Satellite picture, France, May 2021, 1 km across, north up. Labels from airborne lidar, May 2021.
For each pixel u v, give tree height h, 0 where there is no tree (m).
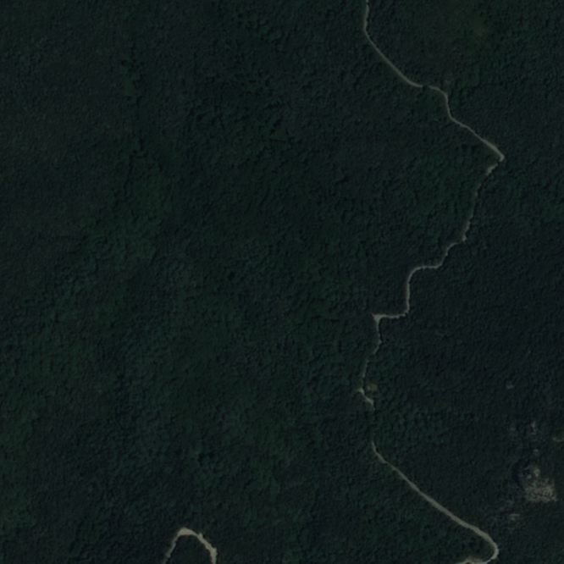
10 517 19
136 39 25
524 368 12
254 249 12
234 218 19
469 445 12
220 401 15
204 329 20
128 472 12
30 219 14
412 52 18
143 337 17
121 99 14
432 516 11
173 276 10
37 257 10
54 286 18
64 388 13
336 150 17
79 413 9
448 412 17
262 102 27
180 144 17
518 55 10
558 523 13
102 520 18
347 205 25
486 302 16
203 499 21
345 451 16
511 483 6
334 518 15
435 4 13
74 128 14
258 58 24
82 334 18
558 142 12
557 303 9
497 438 15
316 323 18
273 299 19
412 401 19
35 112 13
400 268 8
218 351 25
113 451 14
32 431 11
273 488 18
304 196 24
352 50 16
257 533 16
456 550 16
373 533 19
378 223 16
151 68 24
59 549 9
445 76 13
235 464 20
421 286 10
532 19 16
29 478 14
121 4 7
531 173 13
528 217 15
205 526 22
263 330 18
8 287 18
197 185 24
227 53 20
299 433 17
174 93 14
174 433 14
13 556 12
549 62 17
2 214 12
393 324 14
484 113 13
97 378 9
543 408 6
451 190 16
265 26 17
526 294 14
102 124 15
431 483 15
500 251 15
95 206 14
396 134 27
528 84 21
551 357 9
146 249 18
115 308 20
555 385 6
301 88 16
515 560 14
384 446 10
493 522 12
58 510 9
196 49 18
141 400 17
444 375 17
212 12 20
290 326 13
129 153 16
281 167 20
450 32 15
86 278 17
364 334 19
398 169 17
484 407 18
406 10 13
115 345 15
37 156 9
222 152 15
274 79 19
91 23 9
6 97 12
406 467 10
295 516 19
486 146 8
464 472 12
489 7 10
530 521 11
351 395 10
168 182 18
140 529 17
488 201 15
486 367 14
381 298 17
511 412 11
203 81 20
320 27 10
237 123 19
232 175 13
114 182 17
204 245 20
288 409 18
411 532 18
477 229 12
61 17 9
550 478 7
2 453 10
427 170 16
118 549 15
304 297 19
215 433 15
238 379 15
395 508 12
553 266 9
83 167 9
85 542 19
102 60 9
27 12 9
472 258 14
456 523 10
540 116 10
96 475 11
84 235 12
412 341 17
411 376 18
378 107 18
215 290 18
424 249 21
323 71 18
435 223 15
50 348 15
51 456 15
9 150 12
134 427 11
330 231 18
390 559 9
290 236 24
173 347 19
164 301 13
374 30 6
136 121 16
